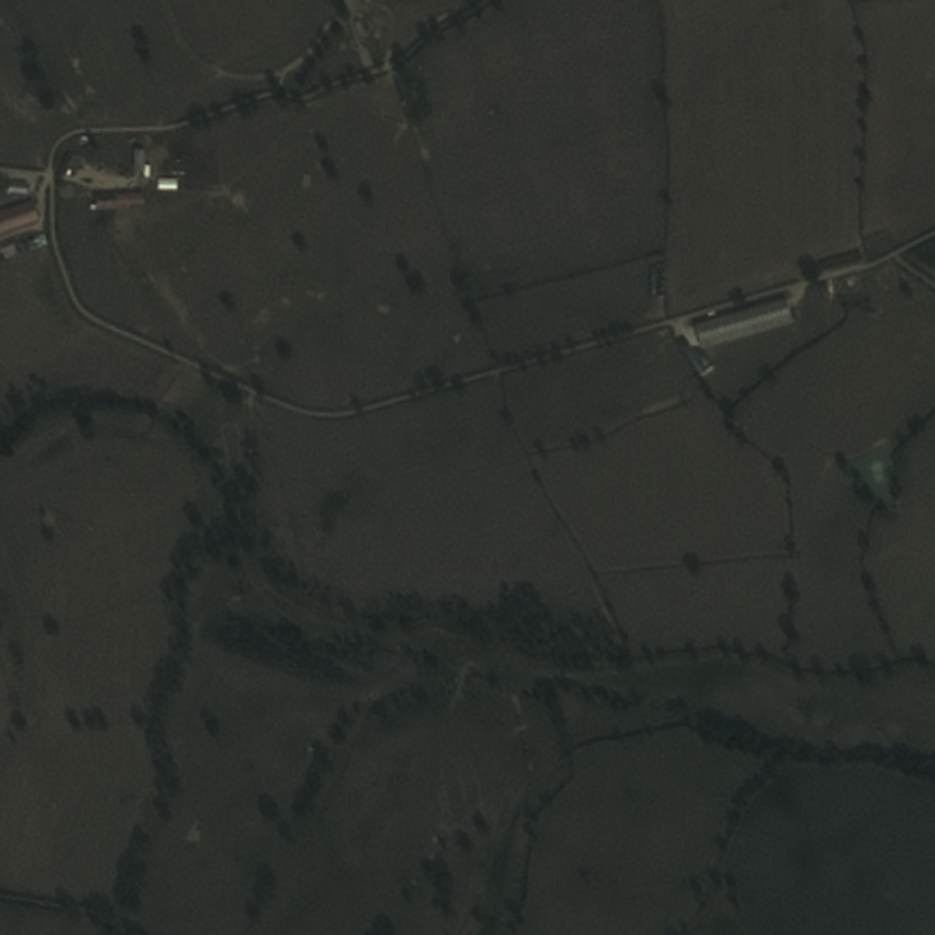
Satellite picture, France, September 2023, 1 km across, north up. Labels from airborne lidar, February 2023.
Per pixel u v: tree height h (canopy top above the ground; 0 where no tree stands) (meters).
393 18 0
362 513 0
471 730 0
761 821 0
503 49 0
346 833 0
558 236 0
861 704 0
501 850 0
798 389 0
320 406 0
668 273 0
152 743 13
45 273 0
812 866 0
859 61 9
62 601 0
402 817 0
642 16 0
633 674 0
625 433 0
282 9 0
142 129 0
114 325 0
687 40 0
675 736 0
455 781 0
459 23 18
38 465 0
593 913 0
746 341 0
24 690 0
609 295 0
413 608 8
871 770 0
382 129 0
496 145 0
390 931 17
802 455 0
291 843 15
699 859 0
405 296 0
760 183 0
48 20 0
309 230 0
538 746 0
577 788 0
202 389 0
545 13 0
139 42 12
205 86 0
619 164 0
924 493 0
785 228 0
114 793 0
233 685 0
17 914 0
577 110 0
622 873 0
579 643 19
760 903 0
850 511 0
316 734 0
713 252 0
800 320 0
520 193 0
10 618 0
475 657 0
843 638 0
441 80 0
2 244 0
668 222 0
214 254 0
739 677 0
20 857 0
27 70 13
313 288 0
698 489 0
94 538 0
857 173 0
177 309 0
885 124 0
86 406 20
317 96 0
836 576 0
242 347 0
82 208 0
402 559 0
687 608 0
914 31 0
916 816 0
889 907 0
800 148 0
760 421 0
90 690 0
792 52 0
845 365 0
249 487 16
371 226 0
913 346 0
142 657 0
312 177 0
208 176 0
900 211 0
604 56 0
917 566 0
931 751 0
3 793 0
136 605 0
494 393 0
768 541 0
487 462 0
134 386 0
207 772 0
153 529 0
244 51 0
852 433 0
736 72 0
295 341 0
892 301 0
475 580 0
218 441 0
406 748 0
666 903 0
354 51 0
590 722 0
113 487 0
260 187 0
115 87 0
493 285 0
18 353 0
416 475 0
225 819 0
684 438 0
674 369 0
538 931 0
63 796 0
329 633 0
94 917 17
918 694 0
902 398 0
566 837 0
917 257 0
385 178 0
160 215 0
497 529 0
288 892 0
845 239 0
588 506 0
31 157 0
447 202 0
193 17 0
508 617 16
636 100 0
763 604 0
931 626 0
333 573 0
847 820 0
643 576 0
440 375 13
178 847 0
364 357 0
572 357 0
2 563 0
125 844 0
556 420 0
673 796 0
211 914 0
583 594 0
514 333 0
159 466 0
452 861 0
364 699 0
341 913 0
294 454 0
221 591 0
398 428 0
